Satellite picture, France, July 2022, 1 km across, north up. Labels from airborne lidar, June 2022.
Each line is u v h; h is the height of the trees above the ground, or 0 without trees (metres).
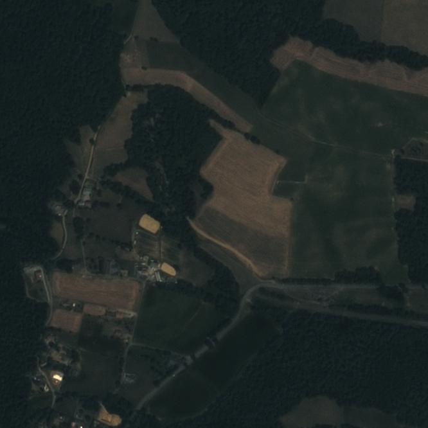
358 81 0
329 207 0
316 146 0
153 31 0
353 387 20
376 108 0
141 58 0
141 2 0
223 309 16
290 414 0
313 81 0
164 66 0
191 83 0
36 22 27
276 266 0
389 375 16
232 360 0
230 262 0
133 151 17
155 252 0
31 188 23
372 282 14
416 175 24
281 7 9
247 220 0
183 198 16
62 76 20
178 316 0
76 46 27
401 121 0
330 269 0
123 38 12
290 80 0
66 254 0
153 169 23
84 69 14
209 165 0
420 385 13
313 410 0
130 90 9
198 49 20
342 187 0
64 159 23
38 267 0
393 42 0
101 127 0
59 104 30
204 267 0
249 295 0
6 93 28
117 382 10
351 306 12
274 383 7
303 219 0
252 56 22
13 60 25
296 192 0
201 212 0
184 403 0
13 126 29
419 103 0
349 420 0
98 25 20
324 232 0
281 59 0
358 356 21
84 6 25
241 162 0
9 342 15
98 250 0
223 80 0
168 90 20
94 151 0
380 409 11
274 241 0
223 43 21
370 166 0
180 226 31
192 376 0
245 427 9
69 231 0
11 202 21
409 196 0
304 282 18
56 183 30
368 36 0
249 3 29
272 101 0
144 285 0
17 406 19
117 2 0
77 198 0
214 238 0
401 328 19
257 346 0
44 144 24
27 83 27
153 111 25
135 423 17
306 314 18
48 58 26
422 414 24
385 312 17
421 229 25
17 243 16
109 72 20
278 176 0
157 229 0
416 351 13
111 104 19
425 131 0
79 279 0
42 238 16
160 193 23
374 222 0
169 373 13
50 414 14
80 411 5
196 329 0
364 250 0
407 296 0
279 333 0
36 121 29
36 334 10
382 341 15
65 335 0
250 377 7
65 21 23
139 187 0
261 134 0
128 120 0
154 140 18
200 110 19
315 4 23
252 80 24
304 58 0
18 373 14
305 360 7
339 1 0
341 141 0
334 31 28
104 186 15
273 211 0
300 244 0
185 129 24
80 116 23
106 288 0
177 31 19
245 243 0
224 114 0
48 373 0
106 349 0
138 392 0
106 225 0
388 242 0
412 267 16
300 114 0
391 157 0
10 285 16
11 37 27
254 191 0
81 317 0
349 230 0
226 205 0
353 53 17
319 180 0
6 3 26
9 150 26
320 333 7
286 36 27
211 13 28
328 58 0
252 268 0
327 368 12
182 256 0
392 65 0
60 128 22
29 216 22
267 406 20
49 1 25
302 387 15
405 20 0
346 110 0
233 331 0
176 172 18
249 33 33
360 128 0
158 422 21
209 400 0
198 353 0
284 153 0
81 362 0
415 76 0
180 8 25
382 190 0
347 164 0
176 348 0
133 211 0
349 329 21
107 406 18
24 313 22
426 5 0
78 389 0
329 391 16
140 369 0
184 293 15
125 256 0
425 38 0
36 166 22
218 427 19
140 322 0
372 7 0
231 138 0
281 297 9
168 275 0
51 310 0
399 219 20
